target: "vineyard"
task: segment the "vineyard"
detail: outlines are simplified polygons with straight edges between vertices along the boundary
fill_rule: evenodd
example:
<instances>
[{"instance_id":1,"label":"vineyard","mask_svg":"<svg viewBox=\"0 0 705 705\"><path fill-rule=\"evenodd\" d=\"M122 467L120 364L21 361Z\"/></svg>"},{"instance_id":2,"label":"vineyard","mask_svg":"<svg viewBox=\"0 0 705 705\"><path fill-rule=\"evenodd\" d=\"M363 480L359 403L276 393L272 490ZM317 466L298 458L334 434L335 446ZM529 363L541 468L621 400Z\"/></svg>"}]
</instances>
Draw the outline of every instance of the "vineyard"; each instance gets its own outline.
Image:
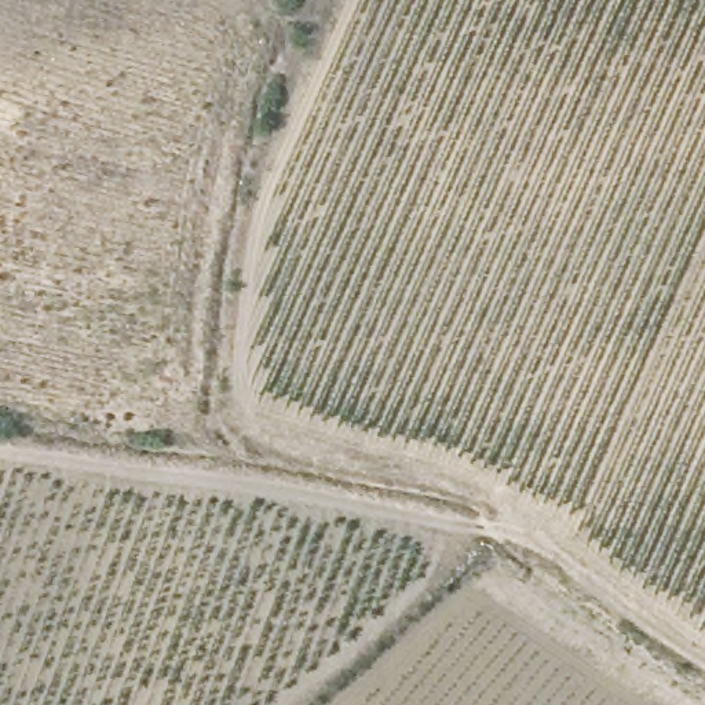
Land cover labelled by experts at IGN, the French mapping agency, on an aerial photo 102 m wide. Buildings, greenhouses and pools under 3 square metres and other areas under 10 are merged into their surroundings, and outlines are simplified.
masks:
<instances>
[{"instance_id":1,"label":"vineyard","mask_svg":"<svg viewBox=\"0 0 705 705\"><path fill-rule=\"evenodd\" d=\"M151 430L127 430L127 454L135 454L140 446L162 446Z\"/></svg>"},{"instance_id":2,"label":"vineyard","mask_svg":"<svg viewBox=\"0 0 705 705\"><path fill-rule=\"evenodd\" d=\"M353 11L339 52L314 99L311 116L306 118L306 127L275 187L275 196L284 201L284 209L267 242L275 248L278 259L259 292L270 300L270 308L251 341L251 347L264 350L264 358L259 364L270 375L270 380L264 383L267 394L273 394L275 399L297 402L319 413L322 419L339 419L344 424L375 430L377 435L388 438L435 441L468 454L471 463L485 463L493 471L507 468L507 485L529 490L532 496L543 496L559 507L567 504L570 512L581 512L581 529L587 529L589 540L598 540L600 548L609 548L609 554L620 562L622 570L639 573L644 587L677 595L683 603L694 606L694 614L705 617L705 0L361 0Z\"/></svg>"},{"instance_id":3,"label":"vineyard","mask_svg":"<svg viewBox=\"0 0 705 705\"><path fill-rule=\"evenodd\" d=\"M424 592L449 584L452 573L457 573L463 587L454 595L449 595L435 611L430 611L421 622L416 622L369 672L364 672L328 705L664 705L661 699L647 699L636 688L614 683L589 664L581 664L576 644L548 636L526 614L501 606L498 600L493 600L487 589L479 589L474 584L474 578L482 578L490 570L493 559L504 559L523 573L523 581L529 581L534 570L545 570L565 587L570 576L559 562L551 562L543 554L529 551L523 545L507 540L501 543L485 534L471 537L435 526L410 526L397 520L388 520L375 534L366 534L358 518L333 515L325 507L284 507L278 501L253 498L248 507L240 507L231 498L218 496L173 496L173 485L160 482L129 482L99 471L30 471L30 465L11 465L0 460L0 705L306 705L314 694L322 691L322 686L330 677L347 669L413 603L419 603Z\"/></svg>"}]
</instances>

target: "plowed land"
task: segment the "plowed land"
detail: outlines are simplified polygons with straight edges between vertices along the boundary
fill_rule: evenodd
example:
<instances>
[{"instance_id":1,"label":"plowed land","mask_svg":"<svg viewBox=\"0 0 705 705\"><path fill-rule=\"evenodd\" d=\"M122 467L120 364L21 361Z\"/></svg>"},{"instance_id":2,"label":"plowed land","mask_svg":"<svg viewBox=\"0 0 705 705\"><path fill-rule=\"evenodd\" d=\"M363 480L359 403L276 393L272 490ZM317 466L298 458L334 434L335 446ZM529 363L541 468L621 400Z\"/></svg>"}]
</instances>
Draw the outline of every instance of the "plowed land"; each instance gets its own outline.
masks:
<instances>
[{"instance_id":1,"label":"plowed land","mask_svg":"<svg viewBox=\"0 0 705 705\"><path fill-rule=\"evenodd\" d=\"M463 587L457 573L452 573L449 584L424 592L419 603L413 603L347 669L330 677L322 686L322 691L314 694L306 705L328 705L364 672L369 672L416 622L421 622L430 611L435 611L449 595L454 595Z\"/></svg>"},{"instance_id":2,"label":"plowed land","mask_svg":"<svg viewBox=\"0 0 705 705\"><path fill-rule=\"evenodd\" d=\"M507 540L523 545L529 551L543 554L551 562L559 562L570 576L565 587L545 570L534 570L529 581L523 581L523 573L504 559L493 559L490 570L482 578L474 578L474 584L479 589L487 589L493 600L498 600L501 606L526 614L548 636L576 644L581 664L589 664L614 683L636 688L647 699L661 699L664 705L705 705L705 617L694 614L694 606L683 603L677 595L644 587L639 573L622 570L620 562L609 554L609 548L600 548L598 540L589 540L587 529L581 529L581 512L570 512L567 504L559 507L543 496L532 496L529 490L507 485L507 468L493 471L485 463L471 463L468 454L435 441L388 438L377 435L375 430L344 424L339 419L322 419L319 413L297 402L275 399L273 394L267 394L264 383L270 380L270 375L259 364L264 358L264 350L251 347L251 341L270 308L270 300L259 292L278 259L275 248L267 242L284 209L284 201L275 196L275 187L306 127L306 118L311 116L314 99L339 52L353 11L361 0L0 0L0 460L11 465L30 465L30 471L99 471L129 482L160 482L173 485L173 496L218 496L231 498L240 507L248 507L253 498L278 501L284 507L325 507L333 515L358 518L366 534L375 534L388 520L397 520L410 526L435 526L471 537L485 534L501 543ZM127 430L151 430L162 446L140 446L135 454L127 454Z\"/></svg>"}]
</instances>

